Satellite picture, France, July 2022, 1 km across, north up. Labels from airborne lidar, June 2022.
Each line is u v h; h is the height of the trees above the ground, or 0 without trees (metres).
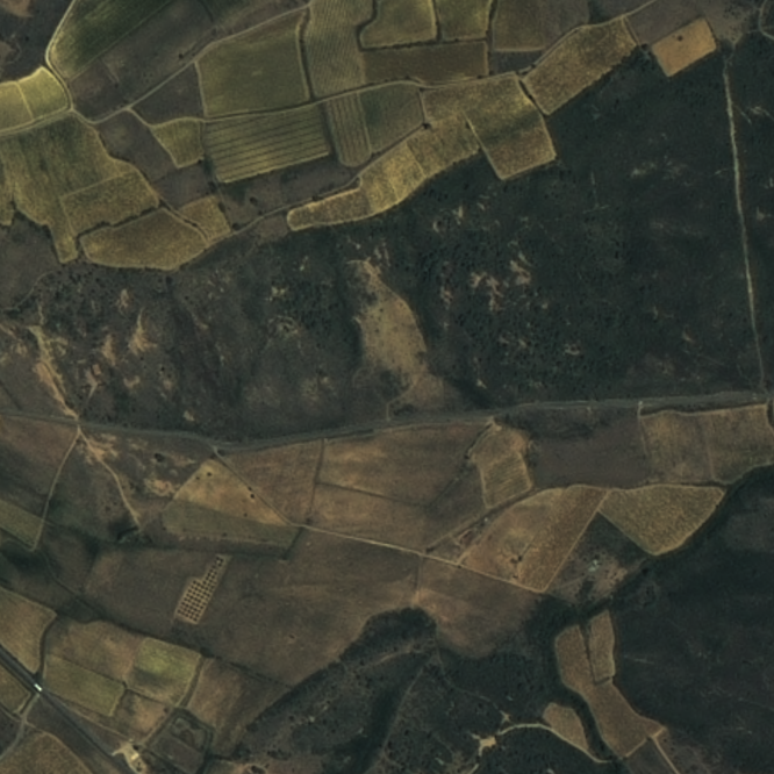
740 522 0
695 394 0
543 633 9
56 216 0
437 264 9
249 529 0
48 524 0
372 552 0
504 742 7
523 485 0
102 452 0
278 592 0
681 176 0
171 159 0
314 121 0
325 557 0
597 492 0
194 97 0
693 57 0
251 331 0
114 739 0
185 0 0
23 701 0
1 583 0
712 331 0
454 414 0
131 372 0
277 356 0
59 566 0
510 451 0
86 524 0
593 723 8
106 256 0
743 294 0
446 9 0
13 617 0
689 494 0
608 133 0
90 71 0
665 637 0
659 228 0
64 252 0
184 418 0
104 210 0
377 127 0
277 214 0
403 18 0
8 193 0
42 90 0
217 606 0
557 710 0
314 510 0
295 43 0
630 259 6
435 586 0
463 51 0
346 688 0
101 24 0
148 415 0
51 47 0
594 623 0
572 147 0
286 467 0
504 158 0
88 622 0
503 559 0
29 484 0
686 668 0
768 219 0
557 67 0
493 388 0
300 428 0
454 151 0
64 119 0
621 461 0
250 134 0
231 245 0
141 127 0
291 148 0
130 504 0
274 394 0
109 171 0
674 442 0
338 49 0
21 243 0
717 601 0
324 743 0
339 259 0
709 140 0
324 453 0
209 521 0
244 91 0
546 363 7
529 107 0
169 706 0
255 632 0
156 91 0
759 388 0
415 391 0
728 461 0
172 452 0
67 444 0
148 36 0
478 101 0
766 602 0
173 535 0
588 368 9
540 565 0
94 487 0
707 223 0
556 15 0
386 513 0
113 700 0
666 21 0
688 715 0
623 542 0
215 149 0
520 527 0
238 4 0
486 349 8
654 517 0
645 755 0
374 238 7
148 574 0
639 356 0
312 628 0
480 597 0
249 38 0
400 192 0
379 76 0
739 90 0
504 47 0
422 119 0
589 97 8
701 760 0
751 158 0
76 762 0
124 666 0
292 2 0
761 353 0
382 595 0
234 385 0
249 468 0
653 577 11
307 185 0
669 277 0
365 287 0
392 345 0
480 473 0
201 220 0
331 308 9
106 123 0
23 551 0
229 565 0
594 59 0
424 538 0
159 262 0
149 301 0
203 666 0
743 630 0
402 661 0
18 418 0
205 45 0
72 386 0
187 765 0
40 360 0
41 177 0
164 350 0
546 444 0
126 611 0
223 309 0
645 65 8
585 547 0
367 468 0
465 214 0
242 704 0
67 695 0
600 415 0
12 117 0
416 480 0
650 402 0
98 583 0
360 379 0
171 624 0
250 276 0
